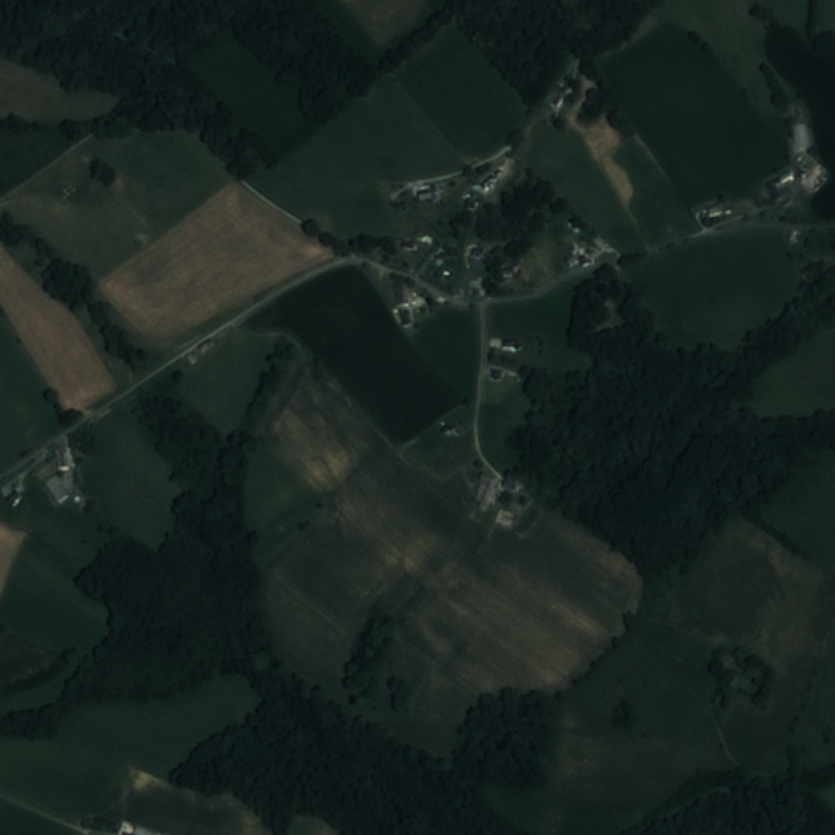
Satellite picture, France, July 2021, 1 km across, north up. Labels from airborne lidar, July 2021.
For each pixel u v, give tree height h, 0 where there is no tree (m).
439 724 0
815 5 12
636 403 29
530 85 17
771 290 0
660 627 0
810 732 0
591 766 0
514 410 0
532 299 0
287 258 0
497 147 0
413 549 0
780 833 35
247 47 16
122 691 18
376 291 0
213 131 27
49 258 14
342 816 9
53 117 0
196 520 27
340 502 0
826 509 0
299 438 0
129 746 0
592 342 23
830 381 0
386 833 17
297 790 21
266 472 0
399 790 19
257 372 0
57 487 0
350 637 0
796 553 8
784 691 0
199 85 24
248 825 0
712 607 0
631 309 19
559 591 0
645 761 0
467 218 12
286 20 27
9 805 0
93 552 0
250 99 0
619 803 0
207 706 0
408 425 0
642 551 24
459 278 0
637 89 0
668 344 23
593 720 0
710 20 0
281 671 26
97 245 0
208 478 11
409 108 0
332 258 0
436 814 18
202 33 18
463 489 0
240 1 27
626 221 0
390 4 0
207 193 0
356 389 0
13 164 0
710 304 0
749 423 22
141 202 0
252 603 28
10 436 0
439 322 0
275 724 31
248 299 0
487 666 0
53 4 28
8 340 0
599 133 0
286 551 0
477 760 26
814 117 0
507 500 10
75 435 6
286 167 0
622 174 0
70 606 0
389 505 0
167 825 0
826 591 0
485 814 16
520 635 0
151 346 0
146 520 0
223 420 0
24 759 0
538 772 31
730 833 29
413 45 17
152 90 24
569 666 0
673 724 0
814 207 0
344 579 0
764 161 0
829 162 0
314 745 11
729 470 28
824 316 9
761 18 31
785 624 0
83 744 0
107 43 21
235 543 25
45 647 0
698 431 21
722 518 26
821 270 9
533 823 0
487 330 0
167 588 17
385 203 0
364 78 20
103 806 0
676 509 23
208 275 0
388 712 0
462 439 0
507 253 12
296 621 0
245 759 32
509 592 0
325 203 0
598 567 0
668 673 0
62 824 0
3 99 0
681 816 17
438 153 0
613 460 22
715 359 27
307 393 0
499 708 22
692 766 0
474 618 0
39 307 0
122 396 0
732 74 0
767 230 0
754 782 7
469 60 0
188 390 0
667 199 0
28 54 20
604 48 23
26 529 0
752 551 0
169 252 0
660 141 0
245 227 0
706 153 0
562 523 0
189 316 0
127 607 21
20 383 0
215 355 0
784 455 26
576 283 0
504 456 0
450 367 0
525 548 0
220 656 15
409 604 0
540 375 20
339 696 0
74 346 0
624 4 24
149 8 23
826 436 25
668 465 13
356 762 18
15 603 0
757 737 0
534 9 16
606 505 24
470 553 0
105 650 16
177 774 17
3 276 0
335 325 0
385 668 23
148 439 0
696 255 0
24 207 0
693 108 0
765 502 8
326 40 23
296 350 10
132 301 0
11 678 0
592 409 24
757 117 0
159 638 27
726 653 9
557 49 31
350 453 0
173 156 0
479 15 22
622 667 0
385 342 0
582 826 0
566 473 11
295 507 0
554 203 10
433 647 0
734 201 0
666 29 0
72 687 21
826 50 23
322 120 9
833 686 0
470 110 0
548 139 0
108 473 0
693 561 20
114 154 0
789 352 10
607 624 0
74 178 0
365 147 0
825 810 18
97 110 0
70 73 17
